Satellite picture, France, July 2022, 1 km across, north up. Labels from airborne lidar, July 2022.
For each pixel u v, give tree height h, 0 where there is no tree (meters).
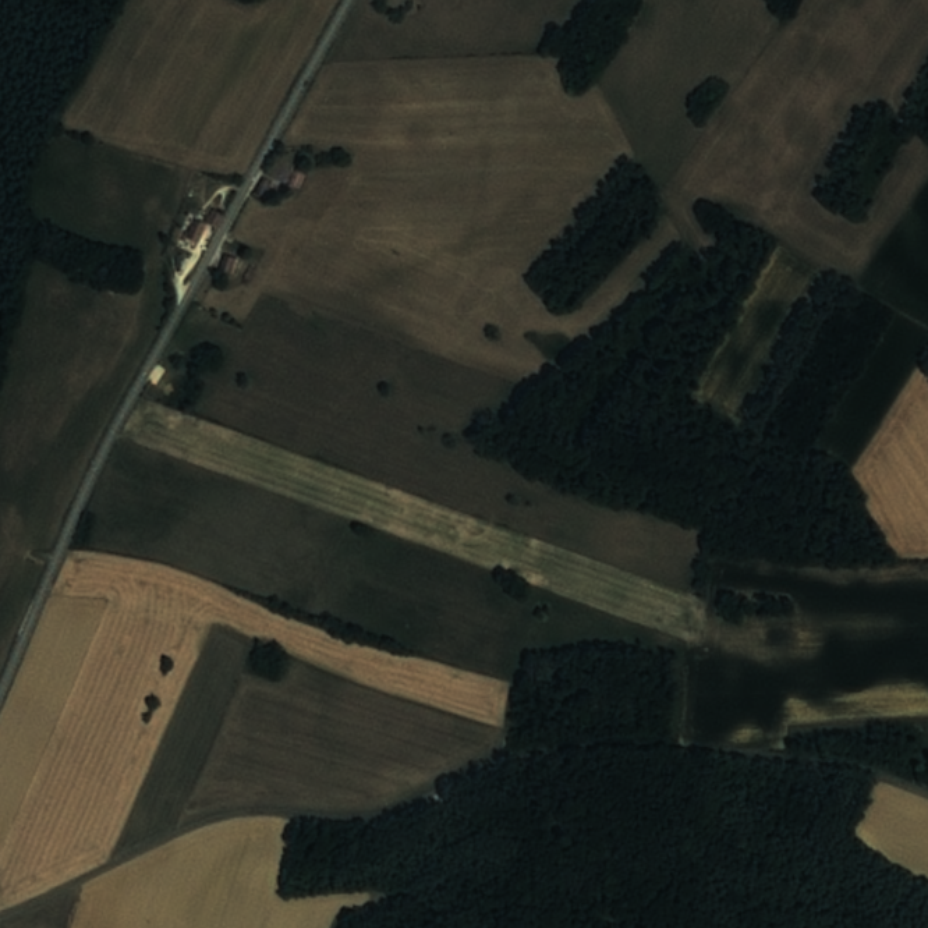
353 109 0
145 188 0
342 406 0
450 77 0
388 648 15
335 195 0
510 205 0
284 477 0
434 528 0
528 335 0
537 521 0
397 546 0
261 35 0
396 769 0
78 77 25
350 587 0
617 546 0
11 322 31
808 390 13
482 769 22
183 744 0
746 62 0
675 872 22
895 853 0
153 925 0
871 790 23
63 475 0
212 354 22
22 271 20
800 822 27
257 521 0
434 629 0
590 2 17
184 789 0
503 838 26
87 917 0
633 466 24
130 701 0
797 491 26
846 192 23
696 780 24
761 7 0
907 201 0
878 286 0
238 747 0
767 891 26
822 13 0
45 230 25
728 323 18
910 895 15
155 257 0
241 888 0
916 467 0
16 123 28
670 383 34
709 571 18
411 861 18
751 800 21
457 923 22
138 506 0
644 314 21
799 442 12
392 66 0
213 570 0
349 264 0
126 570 0
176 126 0
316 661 0
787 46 0
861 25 0
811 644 0
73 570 0
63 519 0
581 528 0
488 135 0
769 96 0
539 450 29
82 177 0
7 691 0
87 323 0
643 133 0
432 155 0
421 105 0
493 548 0
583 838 27
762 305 0
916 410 0
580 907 24
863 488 14
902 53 0
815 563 20
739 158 0
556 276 8
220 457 0
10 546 0
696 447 31
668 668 26
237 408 0
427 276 0
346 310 0
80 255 26
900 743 20
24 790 0
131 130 0
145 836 0
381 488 0
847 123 0
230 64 0
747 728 0
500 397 0
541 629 0
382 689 0
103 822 0
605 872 25
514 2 0
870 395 0
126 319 0
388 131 0
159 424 0
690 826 20
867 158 21
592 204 18
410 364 0
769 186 0
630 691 30
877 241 0
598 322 0
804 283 0
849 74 0
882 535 22
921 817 0
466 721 0
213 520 0
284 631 0
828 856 24
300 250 0
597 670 24
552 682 15
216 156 0
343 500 0
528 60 0
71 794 0
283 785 0
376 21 0
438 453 0
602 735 18
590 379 28
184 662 0
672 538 0
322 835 22
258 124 0
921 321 0
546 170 0
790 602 15
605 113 0
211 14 0
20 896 0
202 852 0
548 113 0
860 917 25
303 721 0
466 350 0
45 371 0
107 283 18
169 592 0
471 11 0
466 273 0
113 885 0
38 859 0
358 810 0
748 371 0
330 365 0
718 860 31
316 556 0
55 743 0
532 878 21
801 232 0
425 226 0
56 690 0
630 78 0
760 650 0
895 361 0
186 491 0
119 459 0
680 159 0
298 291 0
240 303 0
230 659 0
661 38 0
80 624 0
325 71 0
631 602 0
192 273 0
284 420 0
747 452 26
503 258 0
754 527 17
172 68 0
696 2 0
